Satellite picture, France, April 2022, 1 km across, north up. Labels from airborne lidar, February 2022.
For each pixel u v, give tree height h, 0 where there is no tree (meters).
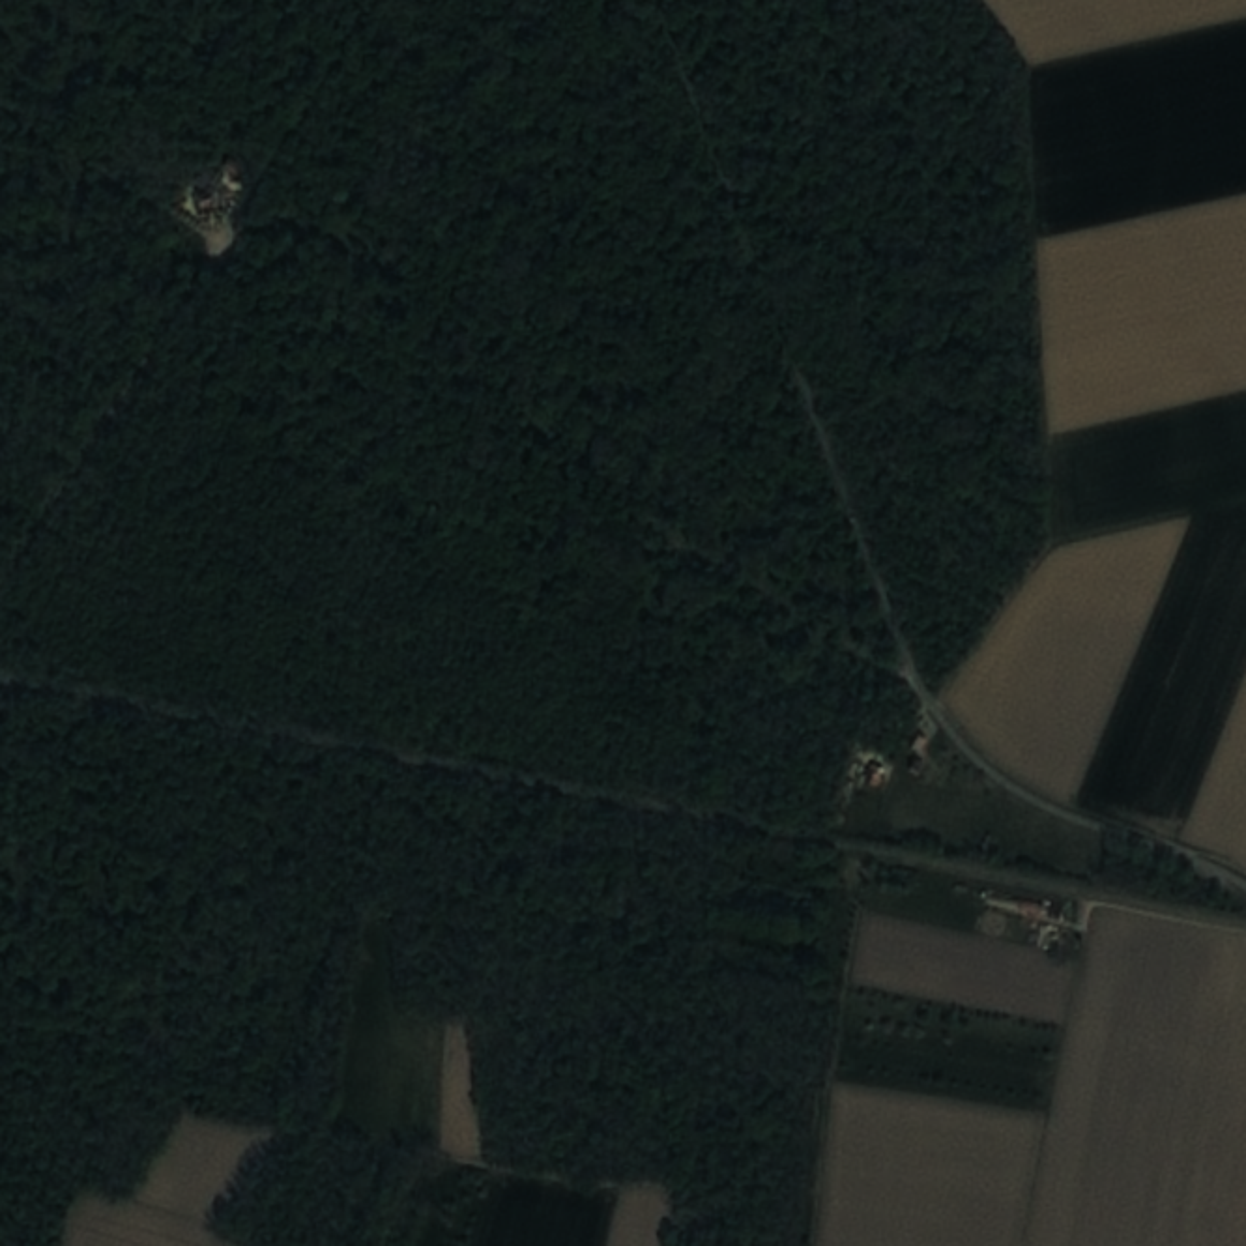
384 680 16
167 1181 0
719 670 24
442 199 31
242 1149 0
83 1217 0
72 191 25
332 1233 28
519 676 19
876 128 26
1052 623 0
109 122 21
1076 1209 0
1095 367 0
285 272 23
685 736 15
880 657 17
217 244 0
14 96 13
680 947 29
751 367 24
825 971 24
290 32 27
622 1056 30
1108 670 0
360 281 26
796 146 27
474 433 25
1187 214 0
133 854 22
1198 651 0
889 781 0
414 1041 0
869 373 26
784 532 28
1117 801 0
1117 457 0
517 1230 0
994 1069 0
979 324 24
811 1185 18
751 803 24
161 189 19
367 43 25
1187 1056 0
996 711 0
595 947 24
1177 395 0
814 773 25
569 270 27
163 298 28
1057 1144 0
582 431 24
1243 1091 0
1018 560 18
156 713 18
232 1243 20
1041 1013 0
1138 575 0
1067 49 0
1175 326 0
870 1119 0
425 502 26
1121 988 0
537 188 21
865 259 25
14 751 30
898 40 27
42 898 20
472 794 26
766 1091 23
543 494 25
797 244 25
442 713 18
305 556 0
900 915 0
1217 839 0
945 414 32
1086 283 0
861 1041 10
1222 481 0
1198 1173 0
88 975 28
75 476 23
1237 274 0
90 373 22
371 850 28
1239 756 0
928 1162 0
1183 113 0
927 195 24
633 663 24
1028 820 0
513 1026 18
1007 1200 0
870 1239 0
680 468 30
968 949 0
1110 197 0
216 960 26
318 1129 20
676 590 30
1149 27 0
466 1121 0
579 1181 18
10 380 18
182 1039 29
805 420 21
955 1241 0
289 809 26
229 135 20
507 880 24
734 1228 24
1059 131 0
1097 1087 0
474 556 26
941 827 0
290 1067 19
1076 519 0
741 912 24
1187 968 0
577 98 25
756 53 22
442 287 29
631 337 30
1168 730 0
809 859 19
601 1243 0
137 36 19
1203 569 0
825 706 25
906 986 0
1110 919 0
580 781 20
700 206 27
